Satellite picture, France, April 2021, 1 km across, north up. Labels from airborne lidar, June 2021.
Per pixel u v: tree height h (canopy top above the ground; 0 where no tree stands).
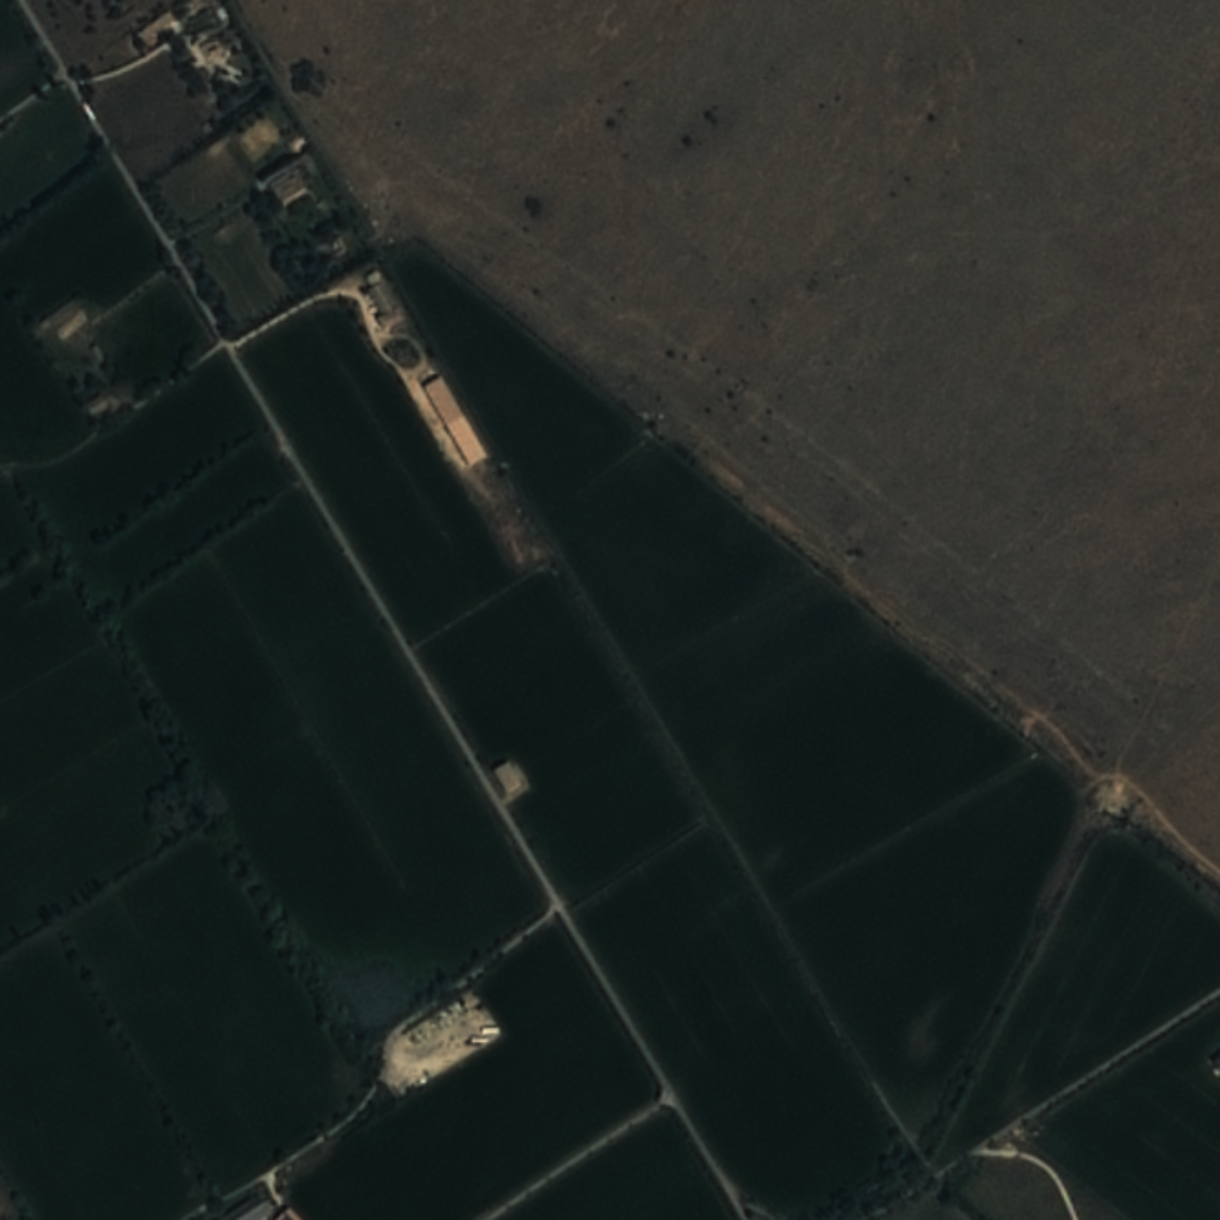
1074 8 0
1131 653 0
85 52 0
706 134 0
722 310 0
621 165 0
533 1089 0
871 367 0
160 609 0
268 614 0
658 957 0
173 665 0
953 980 0
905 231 0
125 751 0
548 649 0
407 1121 0
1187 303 0
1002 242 0
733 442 0
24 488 6
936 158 0
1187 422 0
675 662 0
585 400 0
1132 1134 0
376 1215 0
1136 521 0
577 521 0
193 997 0
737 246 0
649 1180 0
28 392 0
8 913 0
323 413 0
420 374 0
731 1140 0
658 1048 0
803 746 0
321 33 0
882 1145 0
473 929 0
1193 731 0
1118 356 0
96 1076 0
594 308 0
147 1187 0
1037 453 0
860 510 0
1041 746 0
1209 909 0
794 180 0
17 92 0
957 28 0
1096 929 0
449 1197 0
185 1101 0
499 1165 0
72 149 0
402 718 0
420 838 0
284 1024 0
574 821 0
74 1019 0
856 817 0
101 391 6
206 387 0
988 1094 0
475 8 0
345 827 0
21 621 0
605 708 0
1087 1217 0
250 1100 0
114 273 0
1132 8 0
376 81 0
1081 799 0
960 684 0
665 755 0
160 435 0
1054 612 0
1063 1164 0
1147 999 0
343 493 0
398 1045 0
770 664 0
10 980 0
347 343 0
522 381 0
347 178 0
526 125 0
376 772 0
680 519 0
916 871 0
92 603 8
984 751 0
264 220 14
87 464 0
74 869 0
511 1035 0
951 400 0
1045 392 0
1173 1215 0
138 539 0
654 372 0
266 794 0
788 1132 0
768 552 0
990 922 0
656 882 0
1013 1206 0
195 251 10
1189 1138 0
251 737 0
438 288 0
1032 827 0
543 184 0
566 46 0
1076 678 0
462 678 0
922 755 0
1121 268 0
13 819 0
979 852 0
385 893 0
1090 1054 0
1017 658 0
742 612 0
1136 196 0
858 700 0
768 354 0
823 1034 0
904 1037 0
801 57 0
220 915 0
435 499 0
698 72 0
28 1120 0
